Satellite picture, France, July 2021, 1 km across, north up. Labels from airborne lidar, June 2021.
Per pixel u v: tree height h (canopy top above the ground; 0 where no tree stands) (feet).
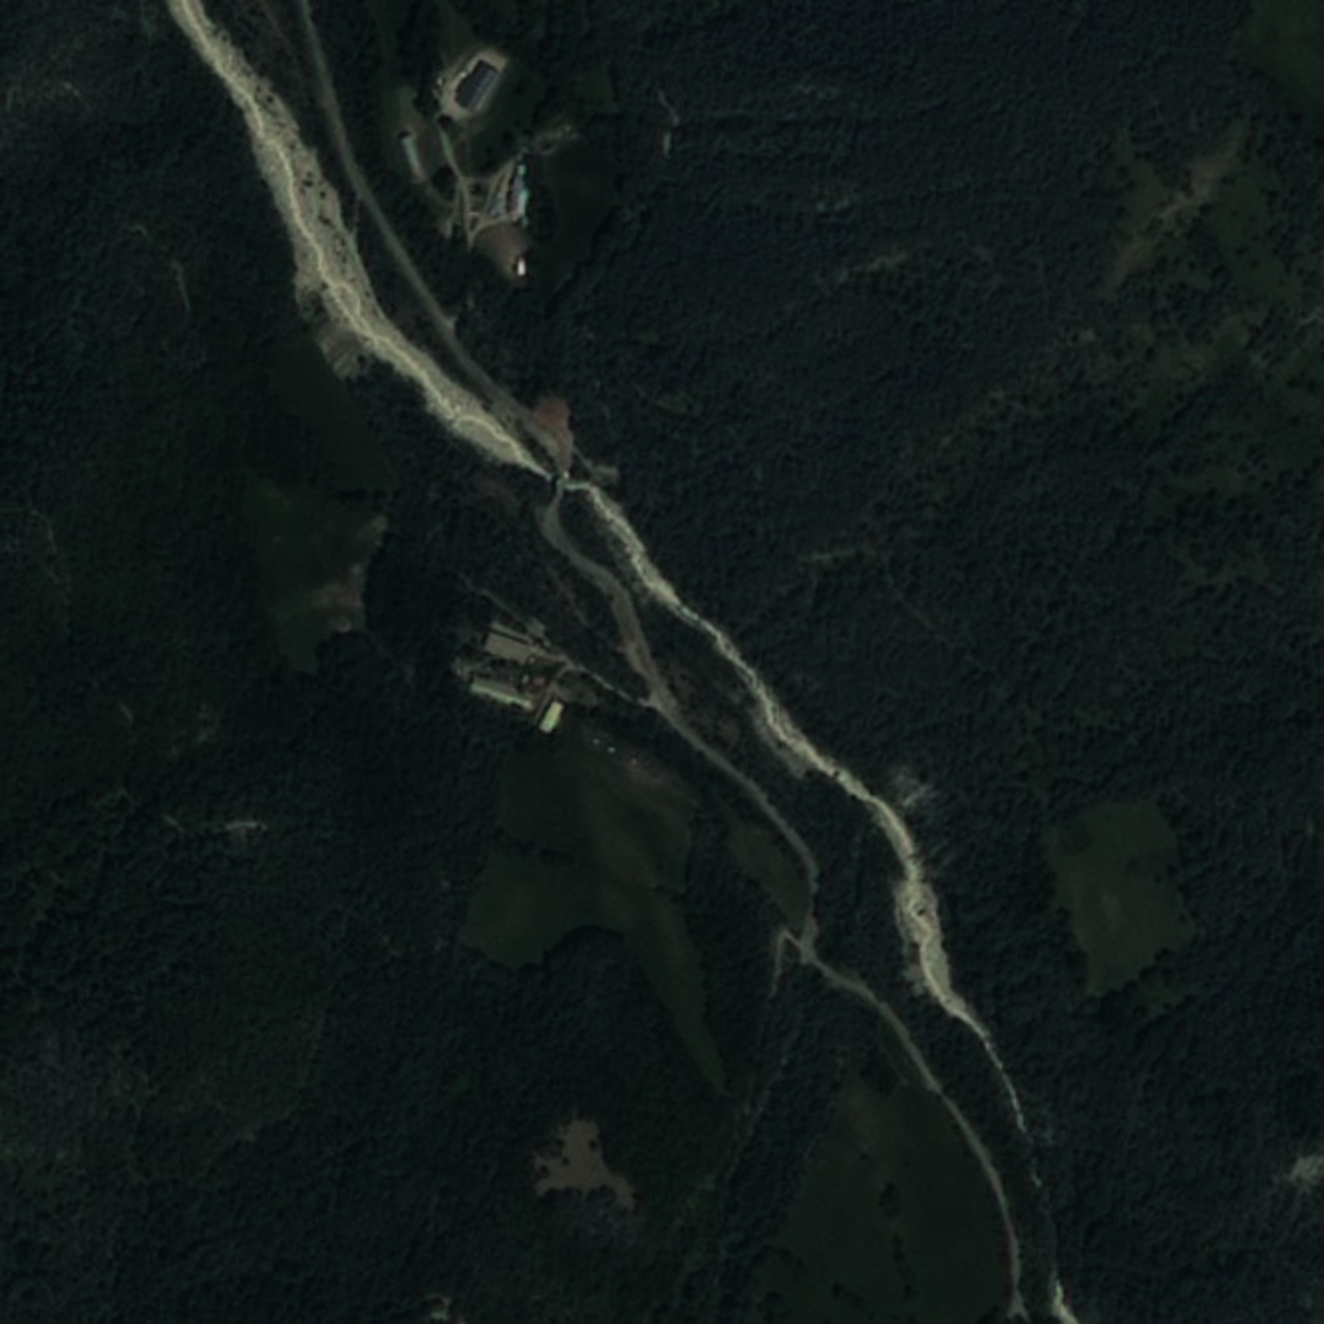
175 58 25
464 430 0
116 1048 33
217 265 43
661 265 39
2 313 58
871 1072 62
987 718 31
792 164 32
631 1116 63
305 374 0
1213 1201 62
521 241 0
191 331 40
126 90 44
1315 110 0
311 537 0
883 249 22
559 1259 48
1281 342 21
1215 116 28
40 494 33
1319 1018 39
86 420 41
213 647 44
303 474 40
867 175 29
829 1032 35
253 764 75
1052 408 33
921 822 19
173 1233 72
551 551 23
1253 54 0
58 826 71
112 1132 35
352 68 24
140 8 53
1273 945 45
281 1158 62
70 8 27
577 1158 0
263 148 0
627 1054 62
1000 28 32
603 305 34
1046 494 21
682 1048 40
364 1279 56
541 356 37
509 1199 38
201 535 66
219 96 24
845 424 25
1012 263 29
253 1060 41
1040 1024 54
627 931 0
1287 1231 37
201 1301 77
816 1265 0
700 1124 49
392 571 54
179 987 33
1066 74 26
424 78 43
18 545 20
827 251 20
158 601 47
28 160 39
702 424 24
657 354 51
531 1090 60
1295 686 35
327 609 0
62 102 28
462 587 22
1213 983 45
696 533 42
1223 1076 79
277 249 51
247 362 75
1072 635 22
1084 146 26
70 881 60
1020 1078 23
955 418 21
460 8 45
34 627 40
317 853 62
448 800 29
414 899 49
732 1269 28
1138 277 27
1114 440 46
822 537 27
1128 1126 26
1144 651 23
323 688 57
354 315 0
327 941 42
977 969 38
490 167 26
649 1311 52
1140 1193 38
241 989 51
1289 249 22
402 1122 62
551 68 56
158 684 45
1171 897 0
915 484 22
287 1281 38
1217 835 35
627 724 46
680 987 0
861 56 30
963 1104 31
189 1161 31
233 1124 25
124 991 82
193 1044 43
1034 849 31
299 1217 53
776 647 23
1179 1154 41
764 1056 40
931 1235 0
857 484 24
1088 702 32
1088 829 0
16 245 45
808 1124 42
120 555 53
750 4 44
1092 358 25
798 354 35
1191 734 40
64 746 43
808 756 0
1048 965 58
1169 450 38
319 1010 31
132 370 32
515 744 19
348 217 33
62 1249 40
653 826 0
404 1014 47
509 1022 83
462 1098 63
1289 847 44
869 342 43
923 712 43
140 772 46
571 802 0
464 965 37
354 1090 63
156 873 60
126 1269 65
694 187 33
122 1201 55
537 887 0
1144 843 0
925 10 30
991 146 37
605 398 35
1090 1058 31
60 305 36
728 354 34
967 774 37
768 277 30
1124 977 0
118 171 33
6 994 83
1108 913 0
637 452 38
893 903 35
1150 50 20
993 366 27
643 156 31
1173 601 21
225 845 38
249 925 45
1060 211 31
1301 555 30
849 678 26
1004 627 39
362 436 0
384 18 0
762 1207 52
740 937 52
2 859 109
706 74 40
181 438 47
